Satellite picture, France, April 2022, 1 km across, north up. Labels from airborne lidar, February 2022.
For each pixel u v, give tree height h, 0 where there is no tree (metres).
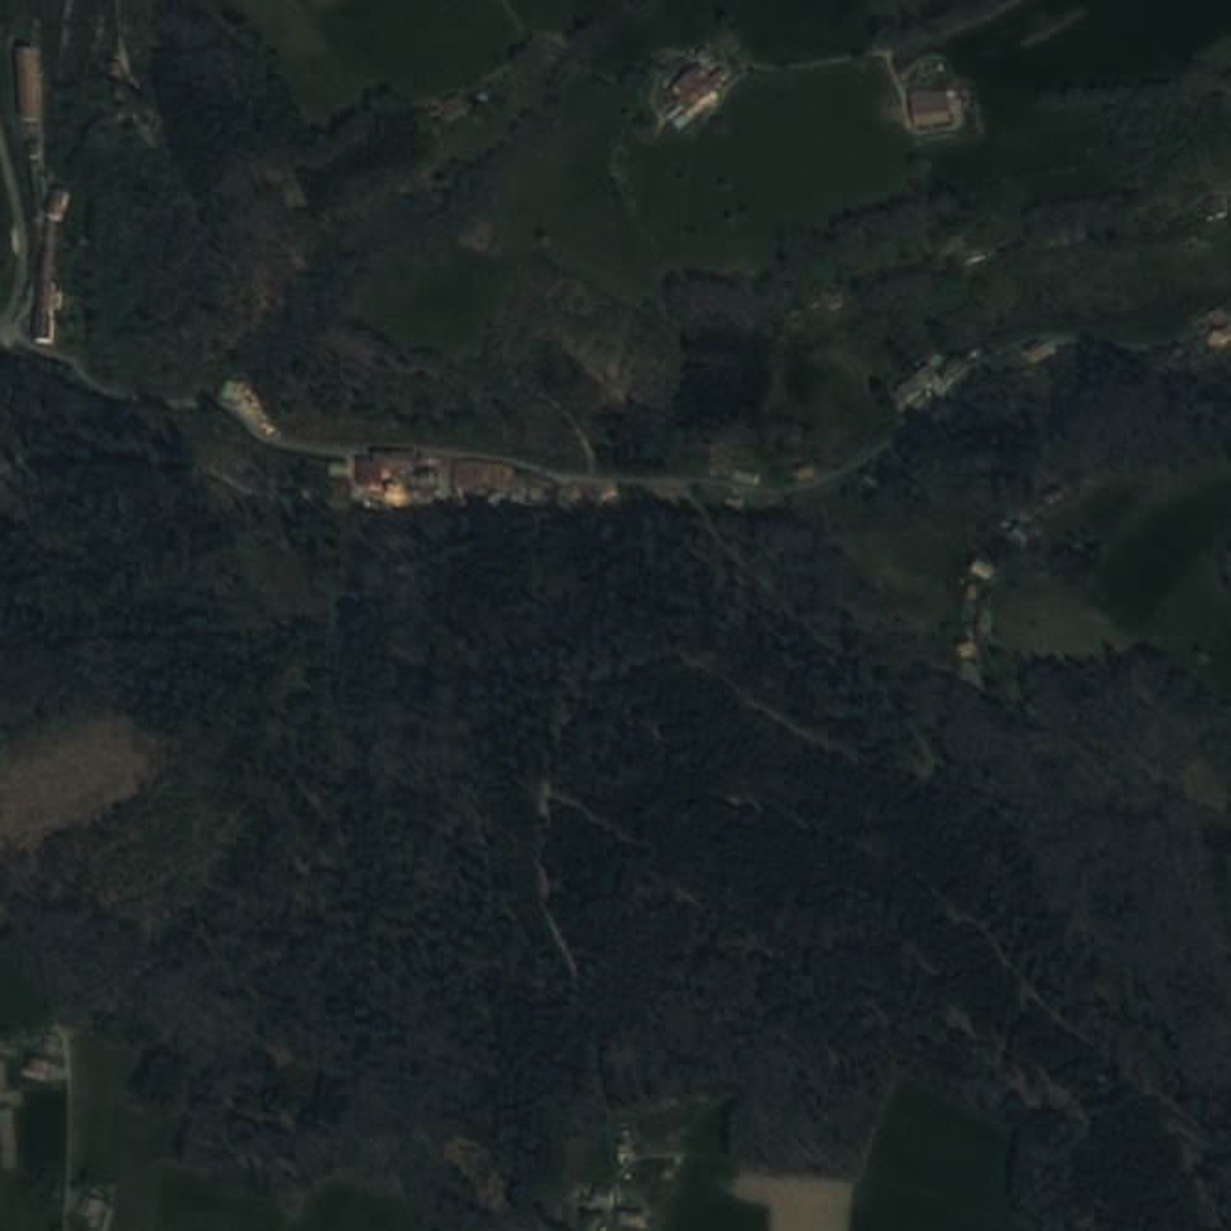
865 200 0
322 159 19
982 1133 0
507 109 0
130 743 0
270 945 15
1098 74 0
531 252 0
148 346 28
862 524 0
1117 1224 13
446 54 0
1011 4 21
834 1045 22
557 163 0
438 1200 24
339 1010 25
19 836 0
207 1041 34
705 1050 20
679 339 0
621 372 0
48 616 11
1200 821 17
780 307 28
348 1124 27
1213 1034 27
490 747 28
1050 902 17
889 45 21
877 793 12
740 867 24
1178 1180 12
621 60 0
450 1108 27
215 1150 27
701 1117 0
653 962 20
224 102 28
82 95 17
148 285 20
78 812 0
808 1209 0
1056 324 0
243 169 26
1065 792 30
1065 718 30
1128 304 0
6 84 0
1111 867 27
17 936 17
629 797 14
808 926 21
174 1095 25
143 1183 0
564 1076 26
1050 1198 23
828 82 0
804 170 0
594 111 0
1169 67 0
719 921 22
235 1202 0
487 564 22
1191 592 0
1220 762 20
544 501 0
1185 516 0
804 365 0
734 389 19
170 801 7
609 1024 17
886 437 0
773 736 15
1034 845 26
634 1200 0
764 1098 30
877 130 0
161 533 22
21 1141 0
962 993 20
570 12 0
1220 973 28
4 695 25
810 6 0
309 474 8
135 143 13
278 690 13
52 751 0
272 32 0
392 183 20
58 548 14
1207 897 29
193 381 14
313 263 14
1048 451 24
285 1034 31
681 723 13
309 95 0
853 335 6
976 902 19
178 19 22
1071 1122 8
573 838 11
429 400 10
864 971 24
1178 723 28
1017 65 0
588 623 10
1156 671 29
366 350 28
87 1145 0
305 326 26
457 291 0
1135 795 28
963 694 24
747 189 0
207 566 20
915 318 15
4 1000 0
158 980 26
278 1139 18
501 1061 29
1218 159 0
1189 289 0
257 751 23
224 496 27
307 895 26
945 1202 0
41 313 0
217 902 20
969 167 0
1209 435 26
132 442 32
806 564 22
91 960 22
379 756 29
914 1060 23
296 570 0
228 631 18
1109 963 27
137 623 18
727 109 0
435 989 31
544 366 7
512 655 10
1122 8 0
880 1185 0
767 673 9
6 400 18
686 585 12
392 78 0
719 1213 0
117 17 0
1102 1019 30
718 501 0
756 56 0
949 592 0
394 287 0
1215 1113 29
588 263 0
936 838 16
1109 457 30
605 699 11
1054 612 0
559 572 13
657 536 16
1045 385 0
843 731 16
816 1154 26
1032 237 15
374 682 33
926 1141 0
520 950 28
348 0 0
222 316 21
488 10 0
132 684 27
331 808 17
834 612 29
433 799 7
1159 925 25
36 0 0
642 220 0
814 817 16
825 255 25
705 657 24
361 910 23
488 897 17
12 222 0
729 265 0
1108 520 0
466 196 19
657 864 21
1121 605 0
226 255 19
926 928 20
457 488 0
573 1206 0
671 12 0
